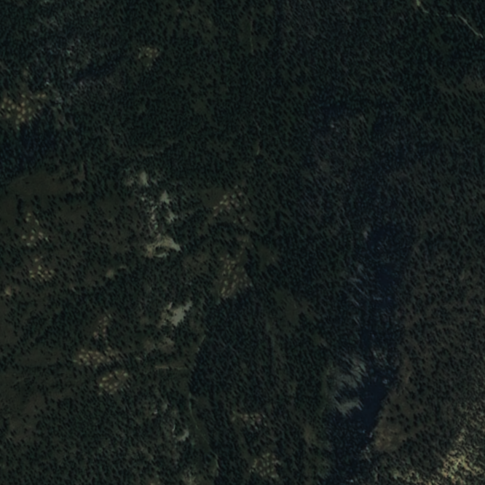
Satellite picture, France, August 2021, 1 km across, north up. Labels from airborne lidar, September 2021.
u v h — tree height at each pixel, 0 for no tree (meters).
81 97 11
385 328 11
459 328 13
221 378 17
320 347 0
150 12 8
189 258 0
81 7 12
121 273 22
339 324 17
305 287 19
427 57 22
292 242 19
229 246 26
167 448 15
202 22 19
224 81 17
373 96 18
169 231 13
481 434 17
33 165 13
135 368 14
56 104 7
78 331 12
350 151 9
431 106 7
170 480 13
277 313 8
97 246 18
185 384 0
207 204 0
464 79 15
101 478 10
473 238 17
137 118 18
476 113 19
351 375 13
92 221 14
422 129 17
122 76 6
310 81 20
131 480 11
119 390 0
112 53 9
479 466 10
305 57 13
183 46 9
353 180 10
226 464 13
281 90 24
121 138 14
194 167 13
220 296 0
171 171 10
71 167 17
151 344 0
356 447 11
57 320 19
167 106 14
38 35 11
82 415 15
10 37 16
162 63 13
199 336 9
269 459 0
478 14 26
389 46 20
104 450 8
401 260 12
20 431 0
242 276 0
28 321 9
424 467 9
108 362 0
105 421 11
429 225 13
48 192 0
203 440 0
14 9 17
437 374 11
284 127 25
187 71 11
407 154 10
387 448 0
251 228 0
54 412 13
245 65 12
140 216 10
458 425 13
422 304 13
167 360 20
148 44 14
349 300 16
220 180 13
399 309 10
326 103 15
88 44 9
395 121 18
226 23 17
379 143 14
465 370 14
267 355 10
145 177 0
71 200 16
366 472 13
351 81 18
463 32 18
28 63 8
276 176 9
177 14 0
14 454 17
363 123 15
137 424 9
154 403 8
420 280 10
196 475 8
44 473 10
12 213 0
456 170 12
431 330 15
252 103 13
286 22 20
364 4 17
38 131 16
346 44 19
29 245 0
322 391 23
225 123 10
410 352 15
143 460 13
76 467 14
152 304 8
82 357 0
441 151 13
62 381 8
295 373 19
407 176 13
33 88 17
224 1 16
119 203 0
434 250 11
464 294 17
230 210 0
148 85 12
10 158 9
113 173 17
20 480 10
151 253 0
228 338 16
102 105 10
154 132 12
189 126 17
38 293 17
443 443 9
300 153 20
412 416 0
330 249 20
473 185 14
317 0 14
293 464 17
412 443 16
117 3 13
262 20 15
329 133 18
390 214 9
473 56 16
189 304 0
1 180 15
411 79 18
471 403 7
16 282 22
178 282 12
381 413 8
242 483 16
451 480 18
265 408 17
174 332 11
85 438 12
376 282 11
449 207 0
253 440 20
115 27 7
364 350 13
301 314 0
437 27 25
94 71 10
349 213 13
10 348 13
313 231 13
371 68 23
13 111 0
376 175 10
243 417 0
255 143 16
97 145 21
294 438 15
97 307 12
